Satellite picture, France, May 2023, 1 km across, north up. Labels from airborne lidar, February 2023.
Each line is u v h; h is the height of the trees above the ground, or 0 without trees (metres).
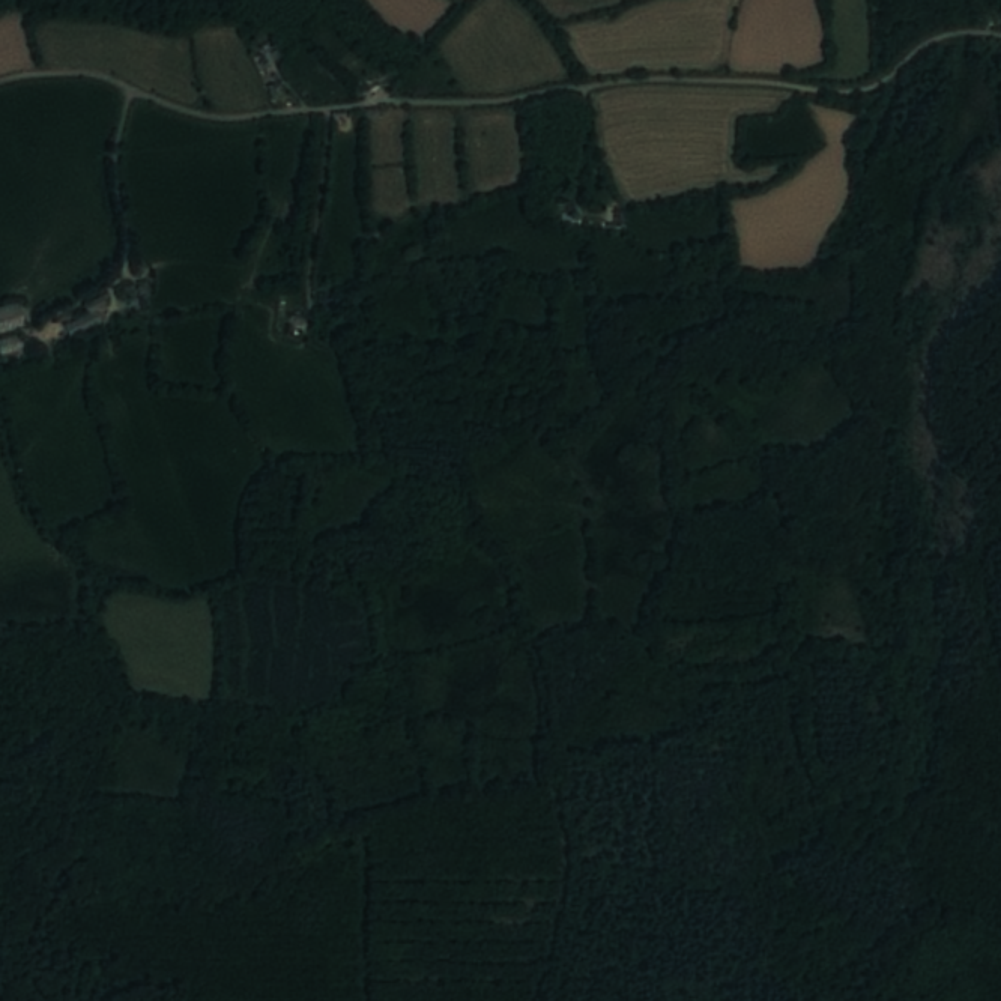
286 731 9
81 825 17
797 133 0
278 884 19
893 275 10
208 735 16
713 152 0
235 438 0
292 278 13
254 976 13
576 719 16
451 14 7
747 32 0
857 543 21
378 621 16
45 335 0
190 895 21
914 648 19
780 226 0
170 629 0
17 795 22
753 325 18
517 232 0
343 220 0
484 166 0
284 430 0
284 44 13
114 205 17
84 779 12
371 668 13
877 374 20
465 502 9
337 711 16
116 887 18
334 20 9
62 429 0
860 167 13
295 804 18
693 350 22
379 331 10
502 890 14
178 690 0
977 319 24
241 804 17
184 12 17
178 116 0
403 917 14
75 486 0
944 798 16
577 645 17
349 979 14
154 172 0
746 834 17
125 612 0
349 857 12
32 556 0
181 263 0
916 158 9
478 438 18
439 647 6
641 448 8
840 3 0
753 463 11
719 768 14
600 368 15
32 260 0
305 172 13
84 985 24
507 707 0
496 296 18
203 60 0
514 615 9
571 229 14
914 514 19
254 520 12
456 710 0
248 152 0
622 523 0
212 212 0
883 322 9
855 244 7
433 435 20
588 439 8
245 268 0
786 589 18
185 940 11
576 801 24
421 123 0
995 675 15
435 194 0
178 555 0
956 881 13
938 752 20
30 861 18
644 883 17
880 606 8
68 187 0
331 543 19
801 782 15
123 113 0
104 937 15
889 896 31
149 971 13
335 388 0
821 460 17
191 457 0
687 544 18
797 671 17
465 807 16
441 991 13
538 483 0
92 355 14
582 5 0
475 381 11
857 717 19
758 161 7
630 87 0
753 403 0
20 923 22
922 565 17
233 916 13
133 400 0
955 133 0
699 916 23
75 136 0
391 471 16
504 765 0
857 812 14
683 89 0
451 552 10
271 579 16
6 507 0
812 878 23
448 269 10
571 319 0
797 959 13
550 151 18
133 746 0
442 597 0
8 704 6
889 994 15
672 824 16
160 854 16
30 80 0
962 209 19
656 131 0
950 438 22
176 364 0
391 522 17
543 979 14
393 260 0
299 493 17
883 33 12
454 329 9
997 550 22
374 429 16
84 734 13
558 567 0
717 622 10
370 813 14
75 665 14
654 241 0
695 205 14
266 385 0
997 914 14
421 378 17
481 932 13
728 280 10
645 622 17
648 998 22
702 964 18
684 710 12
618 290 0
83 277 0
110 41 0
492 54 0
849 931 14
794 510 18
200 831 17
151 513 0
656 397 19
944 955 21
